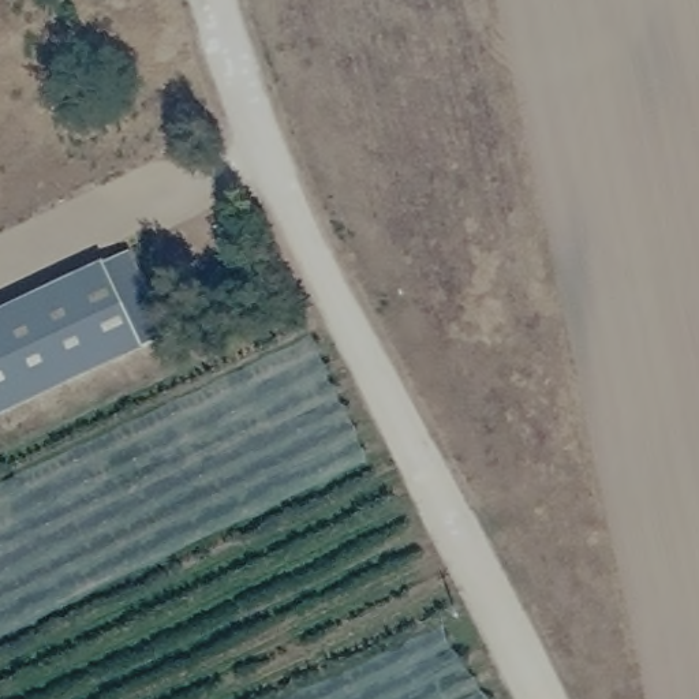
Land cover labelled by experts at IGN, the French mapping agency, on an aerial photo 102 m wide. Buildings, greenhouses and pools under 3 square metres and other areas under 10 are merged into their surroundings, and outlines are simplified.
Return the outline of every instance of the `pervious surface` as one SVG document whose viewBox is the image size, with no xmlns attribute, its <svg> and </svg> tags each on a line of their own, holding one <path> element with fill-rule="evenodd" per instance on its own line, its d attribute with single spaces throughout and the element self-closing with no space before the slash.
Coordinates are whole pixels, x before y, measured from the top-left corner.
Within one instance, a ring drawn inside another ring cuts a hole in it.
<svg viewBox="0 0 699 699">
<path fill-rule="evenodd" d="M 224 158 L 229 167 L 218 172 L 216 180 L 194 169 L 188 172 L 167 158 L 137 167 L 112 183 L 85 186 L 82 191 L 76 191 L 76 197 L 57 199 L 55 208 L 46 208 L 25 224 L 0 232 L 0 303 L 8 303 L 87 262 L 115 257 L 120 251 L 137 254 L 142 229 L 172 232 L 180 221 L 191 216 L 210 216 L 213 199 L 224 202 L 227 191 L 232 191 L 243 180 L 251 188 L 251 194 L 262 202 L 281 257 L 303 281 L 309 300 L 322 311 L 325 328 L 336 341 L 336 350 L 344 358 L 347 369 L 352 371 L 355 385 L 366 401 L 366 410 L 374 418 L 401 472 L 401 481 L 407 483 L 415 511 L 429 538 L 434 541 L 453 579 L 453 587 L 464 598 L 470 614 L 481 639 L 486 642 L 491 661 L 500 669 L 500 680 L 513 699 L 568 699 L 478 516 L 464 502 L 448 461 L 431 442 L 404 382 L 399 380 L 390 358 L 385 355 L 377 333 L 371 330 L 363 309 L 358 306 L 330 251 L 330 240 L 309 205 L 295 161 L 287 150 L 287 139 L 276 123 L 270 98 L 262 85 L 259 57 L 254 55 L 254 46 L 248 41 L 238 0 L 188 0 L 199 27 L 199 44 L 205 49 L 208 68 L 218 87 L 224 109 L 224 117 L 218 120 L 224 137 Z"/>
</svg>

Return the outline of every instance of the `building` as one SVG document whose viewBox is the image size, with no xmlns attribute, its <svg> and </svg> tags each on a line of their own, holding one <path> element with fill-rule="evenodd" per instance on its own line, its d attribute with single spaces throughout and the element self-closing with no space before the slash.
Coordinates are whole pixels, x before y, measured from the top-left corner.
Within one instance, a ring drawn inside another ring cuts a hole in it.
<svg viewBox="0 0 699 699">
<path fill-rule="evenodd" d="M 145 339 L 150 344 L 161 341 L 156 328 L 145 319 L 153 284 L 137 273 L 137 254 L 120 251 L 115 257 L 87 262 L 8 303 L 0 303 L 0 415 L 8 412 L 5 407 L 27 396 L 35 396 L 79 371 L 87 371 L 109 358 L 117 358 L 142 344 Z"/>
</svg>

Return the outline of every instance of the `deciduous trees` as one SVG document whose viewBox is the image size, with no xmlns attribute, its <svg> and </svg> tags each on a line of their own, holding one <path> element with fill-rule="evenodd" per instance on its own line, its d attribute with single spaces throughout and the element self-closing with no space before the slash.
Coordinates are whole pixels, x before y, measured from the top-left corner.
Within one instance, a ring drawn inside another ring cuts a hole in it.
<svg viewBox="0 0 699 699">
<path fill-rule="evenodd" d="M 66 22 L 76 19 L 74 0 L 35 0 L 35 5 L 55 11 L 55 16 Z"/>
<path fill-rule="evenodd" d="M 464 620 L 456 620 L 442 598 L 434 598 L 429 606 L 423 606 L 418 598 L 407 593 L 410 587 L 423 582 L 423 576 L 407 562 L 415 554 L 420 554 L 420 546 L 404 530 L 407 516 L 388 497 L 390 489 L 382 483 L 382 475 L 371 470 L 371 464 L 366 464 L 363 451 L 358 448 L 358 434 L 344 410 L 350 407 L 350 396 L 336 396 L 333 390 L 341 374 L 325 374 L 325 363 L 330 363 L 333 358 L 317 355 L 314 347 L 314 341 L 325 336 L 319 330 L 311 330 L 311 341 L 303 341 L 295 350 L 265 355 L 262 371 L 251 374 L 238 385 L 218 385 L 208 399 L 191 407 L 180 410 L 177 399 L 169 399 L 167 390 L 175 390 L 177 385 L 194 382 L 216 371 L 213 363 L 199 363 L 188 374 L 175 374 L 156 385 L 139 388 L 137 393 L 120 396 L 109 407 L 76 418 L 60 429 L 52 429 L 46 437 L 33 440 L 19 451 L 0 453 L 0 699 L 491 699 L 494 688 L 475 688 L 470 677 L 478 674 L 475 666 L 461 669 L 459 661 L 459 655 L 467 655 L 470 647 L 481 639 L 470 614 Z"/>
<path fill-rule="evenodd" d="M 188 172 L 194 169 L 216 180 L 218 172 L 229 167 L 224 158 L 224 137 L 218 120 L 194 96 L 186 76 L 167 82 L 167 87 L 161 90 L 161 131 L 167 139 L 167 158 Z"/>
<path fill-rule="evenodd" d="M 55 55 L 52 79 L 38 82 L 41 104 L 55 112 L 55 123 L 66 128 L 87 131 L 120 123 L 120 117 L 134 104 L 134 93 L 139 87 L 134 49 L 120 55 L 109 46 L 98 49 L 76 38 L 68 52 Z"/>
<path fill-rule="evenodd" d="M 216 358 L 221 360 L 227 355 L 238 355 L 251 347 L 268 344 L 279 333 L 300 328 L 306 322 L 309 300 L 303 281 L 281 257 L 262 202 L 251 194 L 251 188 L 243 180 L 232 191 L 227 191 L 224 202 L 213 199 L 210 216 L 210 229 L 216 238 L 210 251 L 216 251 L 216 257 L 221 259 L 213 276 L 208 281 L 191 281 L 183 270 L 158 268 L 153 284 L 145 319 L 156 328 L 161 341 L 150 344 L 153 358 L 158 363 L 188 350 L 216 352 Z"/>
</svg>

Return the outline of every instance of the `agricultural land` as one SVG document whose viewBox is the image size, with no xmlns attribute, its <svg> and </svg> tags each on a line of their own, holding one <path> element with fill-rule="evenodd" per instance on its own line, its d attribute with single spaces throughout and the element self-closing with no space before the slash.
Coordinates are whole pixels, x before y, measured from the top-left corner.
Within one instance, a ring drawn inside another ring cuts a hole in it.
<svg viewBox="0 0 699 699">
<path fill-rule="evenodd" d="M 625 609 L 631 620 L 631 639 L 639 658 L 644 699 L 699 699 L 699 0 L 497 0 L 500 33 L 508 41 L 502 57 L 511 68 L 524 120 L 519 150 L 530 153 L 530 172 L 535 175 L 535 202 L 549 227 L 549 243 L 557 262 L 557 279 L 543 284 L 543 289 L 546 295 L 554 295 L 560 303 L 560 314 L 565 317 L 571 350 L 576 358 L 576 366 L 562 366 L 562 374 L 573 390 L 573 401 L 587 407 L 590 448 L 603 489 L 603 511 L 612 530 L 617 573 L 625 590 Z"/>
</svg>

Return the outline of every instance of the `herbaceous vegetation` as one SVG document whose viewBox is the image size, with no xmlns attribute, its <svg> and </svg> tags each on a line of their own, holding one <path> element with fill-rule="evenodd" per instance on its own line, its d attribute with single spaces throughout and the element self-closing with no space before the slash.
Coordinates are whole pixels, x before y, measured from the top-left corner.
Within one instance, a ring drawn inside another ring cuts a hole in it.
<svg viewBox="0 0 699 699">
<path fill-rule="evenodd" d="M 530 153 L 519 150 L 524 120 L 511 68 L 502 57 L 508 41 L 500 33 L 497 0 L 238 0 L 248 41 L 254 46 L 254 55 L 259 57 L 262 85 L 270 98 L 276 123 L 287 139 L 287 150 L 295 161 L 309 205 L 330 240 L 330 251 L 358 306 L 363 309 L 371 330 L 377 333 L 385 355 L 390 358 L 399 380 L 404 382 L 431 442 L 448 461 L 464 502 L 478 516 L 568 699 L 644 699 L 639 658 L 631 639 L 631 620 L 625 609 L 625 590 L 617 573 L 612 530 L 603 511 L 603 489 L 590 448 L 587 407 L 573 401 L 573 390 L 562 374 L 562 366 L 576 366 L 576 358 L 571 350 L 565 317 L 560 314 L 560 303 L 554 295 L 546 295 L 543 289 L 543 284 L 557 279 L 557 262 L 549 243 L 549 227 L 535 202 L 535 175 L 530 172 Z"/>
<path fill-rule="evenodd" d="M 461 669 L 475 666 L 478 674 L 470 677 L 475 688 L 494 688 L 491 699 L 513 699 L 500 680 L 500 669 L 491 661 L 486 642 L 481 639 L 470 647 L 467 655 L 459 655 L 459 661 Z"/>
<path fill-rule="evenodd" d="M 355 385 L 352 371 L 347 369 L 344 358 L 336 350 L 336 341 L 325 328 L 322 311 L 309 300 L 306 322 L 300 328 L 279 333 L 268 344 L 251 347 L 238 355 L 227 355 L 221 360 L 216 358 L 216 352 L 188 350 L 158 363 L 153 358 L 150 344 L 145 339 L 142 344 L 117 358 L 109 358 L 87 371 L 79 371 L 35 396 L 27 396 L 5 407 L 8 412 L 0 415 L 0 453 L 19 451 L 33 440 L 46 437 L 52 429 L 60 429 L 76 418 L 109 407 L 120 396 L 137 393 L 139 388 L 156 385 L 175 374 L 188 374 L 199 363 L 213 363 L 216 371 L 194 382 L 177 385 L 175 390 L 167 390 L 169 399 L 177 399 L 180 410 L 191 407 L 208 399 L 218 385 L 238 385 L 251 374 L 262 371 L 265 355 L 295 350 L 303 341 L 311 341 L 311 330 L 319 330 L 325 336 L 314 341 L 314 347 L 317 355 L 333 358 L 330 363 L 325 363 L 325 374 L 341 374 L 333 390 L 336 396 L 350 396 L 350 407 L 344 410 L 358 434 L 358 448 L 363 451 L 366 464 L 371 464 L 371 470 L 382 475 L 382 483 L 390 489 L 388 497 L 407 516 L 404 530 L 420 546 L 420 554 L 415 554 L 407 562 L 423 576 L 423 582 L 410 587 L 407 593 L 418 598 L 423 606 L 429 606 L 434 598 L 442 598 L 456 620 L 464 620 L 470 614 L 464 598 L 453 587 L 453 579 L 434 541 L 429 538 L 415 511 L 407 483 L 401 481 L 401 472 L 374 418 L 366 410 L 366 401 Z"/>
<path fill-rule="evenodd" d="M 216 251 L 210 251 L 216 238 L 210 229 L 210 216 L 191 216 L 180 221 L 172 232 L 142 229 L 137 254 L 137 273 L 153 284 L 158 268 L 183 270 L 191 281 L 208 281 L 213 276 L 221 259 L 216 257 Z"/>
<path fill-rule="evenodd" d="M 76 19 L 66 22 L 55 16 L 55 11 L 35 5 L 35 0 L 0 0 L 0 232 L 25 224 L 46 208 L 55 208 L 57 199 L 76 197 L 76 191 L 82 191 L 85 186 L 112 183 L 137 167 L 167 158 L 167 139 L 161 131 L 161 90 L 167 87 L 167 82 L 186 76 L 194 96 L 218 120 L 224 117 L 224 109 L 218 87 L 208 68 L 205 49 L 199 44 L 199 27 L 188 0 L 74 0 Z M 76 38 L 98 49 L 109 46 L 120 55 L 134 49 L 139 87 L 134 93 L 134 104 L 120 117 L 120 123 L 87 131 L 66 128 L 55 123 L 55 112 L 41 104 L 38 82 L 52 79 L 55 55 L 68 52 Z"/>
</svg>

